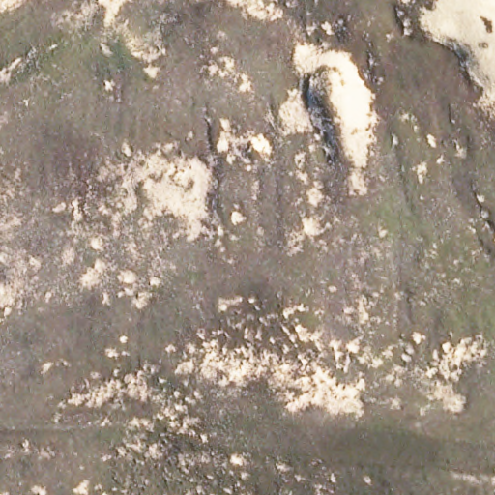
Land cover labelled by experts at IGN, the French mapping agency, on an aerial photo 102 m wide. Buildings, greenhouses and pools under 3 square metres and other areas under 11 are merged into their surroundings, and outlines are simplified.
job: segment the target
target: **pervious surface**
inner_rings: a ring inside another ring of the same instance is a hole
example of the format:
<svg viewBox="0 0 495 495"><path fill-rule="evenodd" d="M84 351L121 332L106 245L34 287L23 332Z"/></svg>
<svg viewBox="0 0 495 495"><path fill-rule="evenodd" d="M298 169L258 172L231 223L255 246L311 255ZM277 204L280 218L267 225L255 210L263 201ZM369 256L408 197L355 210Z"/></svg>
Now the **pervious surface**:
<svg viewBox="0 0 495 495"><path fill-rule="evenodd" d="M12 77L15 68L21 66L21 58L15 58L0 70L0 83Z"/></svg>
<svg viewBox="0 0 495 495"><path fill-rule="evenodd" d="M431 0L435 4L433 10L423 8L420 14L423 31L427 31L433 41L458 48L454 52L454 58L458 62L458 70L462 73L466 89L474 83L480 85L483 89L480 106L487 114L495 116L495 0Z"/></svg>

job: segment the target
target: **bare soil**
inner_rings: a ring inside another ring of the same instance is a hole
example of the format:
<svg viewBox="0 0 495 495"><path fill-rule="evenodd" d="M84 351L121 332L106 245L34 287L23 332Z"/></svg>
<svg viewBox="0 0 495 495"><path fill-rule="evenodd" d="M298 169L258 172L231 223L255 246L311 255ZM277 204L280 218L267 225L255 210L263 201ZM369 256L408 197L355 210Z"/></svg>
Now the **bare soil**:
<svg viewBox="0 0 495 495"><path fill-rule="evenodd" d="M58 402L58 408L70 408L72 404L87 404L93 408L101 406L106 398L112 396L114 410L126 410L122 394L160 402L164 394L159 394L153 387L147 387L147 379L157 369L153 364L143 364L135 375L128 375L120 381L118 369L114 369L112 379L106 385L95 389L93 393L73 394L70 400Z"/></svg>
<svg viewBox="0 0 495 495"><path fill-rule="evenodd" d="M240 79L240 91L247 91L251 83L247 73L236 70L234 60L226 56L224 70L217 66L209 66L209 73L215 73L218 77L230 75L232 79Z"/></svg>
<svg viewBox="0 0 495 495"><path fill-rule="evenodd" d="M157 412L157 420L168 418L168 427L172 429L176 427L178 412L186 410L182 404L174 404Z"/></svg>
<svg viewBox="0 0 495 495"><path fill-rule="evenodd" d="M247 464L242 456L234 454L232 458L226 458L220 456L217 451L211 451L207 454L180 454L182 472L189 472L186 464L195 466L209 462L215 468L222 468L222 474L247 478Z"/></svg>
<svg viewBox="0 0 495 495"><path fill-rule="evenodd" d="M288 410L300 422L315 420L325 425L335 416L344 427L352 429L356 427L358 418L364 412L362 406L365 402L389 408L400 406L398 398L375 398L375 393L377 387L383 387L387 381L391 381L396 387L402 385L404 373L406 377L416 377L414 387L420 394L429 398L427 404L420 406L420 416L427 414L429 410L441 410L443 406L452 412L462 410L464 400L452 389L462 373L460 362L472 362L483 358L487 350L478 348L478 344L472 338L462 338L458 346L443 344L445 356L433 352L433 362L429 369L400 367L394 364L391 358L391 346L379 352L379 356L371 352L373 336L381 323L381 317L367 315L367 311L375 307L375 304L360 298L358 306L344 307L342 315L306 306L290 306L284 309L284 317L290 317L296 311L307 311L317 317L315 333L309 333L302 325L296 327L300 340L313 342L317 346L319 354L315 362L307 362L304 354L298 354L294 362L280 364L277 354L273 352L263 352L261 356L255 356L253 350L240 346L230 350L220 346L217 340L205 342L201 348L188 344L182 356L182 364L176 367L180 381L188 389L186 400L189 404L199 402L199 391L209 381L213 385L220 385L215 394L217 398L238 396L242 385L246 385L247 381L257 381L261 375L269 383L277 400L286 402Z"/></svg>
<svg viewBox="0 0 495 495"><path fill-rule="evenodd" d="M307 218L302 222L302 230L294 230L286 236L288 255L302 251L302 242L306 240L307 234L317 234L319 226L311 218Z"/></svg>
<svg viewBox="0 0 495 495"><path fill-rule="evenodd" d="M95 37L101 44L102 54L110 54L108 43L122 43L128 46L131 56L139 60L155 60L166 52L160 37L160 31L166 23L166 14L160 14L159 10L151 6L166 4L164 0L97 0L93 4L81 6L79 14L68 10L52 12L52 27L58 27L60 31L68 33L72 41L77 41L81 39L79 27L87 27L95 10L104 6L104 27Z"/></svg>
<svg viewBox="0 0 495 495"><path fill-rule="evenodd" d="M472 485L495 485L495 476L472 476L451 472L452 480L464 480Z"/></svg>
<svg viewBox="0 0 495 495"><path fill-rule="evenodd" d="M319 149L325 155L327 164L321 170L321 184L315 182L313 188L309 189L309 203L317 205L321 201L321 195L327 195L331 197L331 205L348 205L352 195L364 195L367 184L373 178L387 180L385 168L379 157L379 145L375 143L373 133L377 124L377 114L369 108L369 102L373 95L365 87L356 66L352 64L346 52L335 52L329 43L317 46L307 44L302 33L298 31L294 33L294 43L298 46L294 62L298 73L304 73L304 87L302 93L298 89L290 91L288 101L280 106L280 118L284 122L282 133L290 135L304 131L309 151Z"/></svg>
<svg viewBox="0 0 495 495"><path fill-rule="evenodd" d="M228 0L230 4L242 8L244 17L251 14L257 19L282 17L282 10L275 6L277 0Z"/></svg>
<svg viewBox="0 0 495 495"><path fill-rule="evenodd" d="M33 306L37 313L44 313L48 311L50 300L54 304L72 307L75 302L83 300L83 294L91 286L101 294L102 304L108 304L116 296L128 296L133 306L143 307L147 304L153 288L164 280L164 271L197 271L195 253L207 253L215 247L218 253L224 251L224 230L217 211L207 211L205 205L211 172L197 159L180 159L174 151L174 141L155 143L155 155L151 157L141 151L130 151L128 143L122 143L124 155L128 155L131 160L128 168L124 168L124 164L112 164L112 160L104 162L104 166L99 170L99 180L122 176L122 184L116 186L116 213L108 211L104 205L99 205L102 215L112 218L112 234L104 234L104 224L79 224L79 201L62 203L58 197L35 199L31 197L29 188L21 189L19 195L14 195L14 188L0 188L0 323L8 321L10 313L21 315L21 307Z"/></svg>
<svg viewBox="0 0 495 495"><path fill-rule="evenodd" d="M230 133L230 122L222 120L220 131L211 124L207 126L207 141L211 153L218 147L218 151L224 153L226 162L240 160L246 170L251 170L251 160L257 155L261 155L263 160L271 159L271 145L263 135L257 137L253 131L247 131L242 137L234 137Z"/></svg>

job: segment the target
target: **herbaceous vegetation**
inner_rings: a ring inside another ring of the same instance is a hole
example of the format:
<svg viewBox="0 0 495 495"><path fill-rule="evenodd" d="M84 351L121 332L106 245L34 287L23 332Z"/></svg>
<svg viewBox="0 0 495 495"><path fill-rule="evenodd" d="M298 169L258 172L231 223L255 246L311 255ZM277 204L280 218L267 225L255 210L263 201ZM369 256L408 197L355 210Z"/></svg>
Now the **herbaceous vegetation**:
<svg viewBox="0 0 495 495"><path fill-rule="evenodd" d="M104 27L104 6L95 10L87 27L79 27L81 39L77 41L72 41L68 33L60 31L58 27L52 27L52 12L68 10L79 14L81 6L93 4L97 0L0 0L0 70L15 58L21 58L21 66L15 68L12 77L0 83L0 188L14 188L14 195L19 195L21 189L29 188L31 197L35 199L58 197L62 203L79 201L79 224L104 224L104 234L112 234L112 218L102 215L99 205L104 205L108 211L116 213L116 186L122 184L122 176L99 180L99 170L104 166L104 162L112 160L112 164L124 164L124 168L128 168L131 160L128 155L124 155L122 143L128 143L130 151L141 151L151 157L155 155L155 143L174 141L174 151L180 159L197 159L211 172L205 205L207 211L217 211L224 230L224 251L218 253L215 247L207 253L195 253L197 271L164 271L164 280L153 288L147 304L143 307L133 306L128 296L116 296L108 304L102 304L101 294L91 286L83 294L83 300L75 302L72 307L54 304L50 300L48 311L44 313L37 313L33 306L21 307L21 315L10 313L8 321L0 323L0 495L495 495L495 485L472 485L464 480L452 480L451 472L472 476L495 476L495 116L487 114L480 106L483 89L480 85L474 83L466 89L462 73L458 70L458 62L454 58L454 52L458 48L433 41L427 31L423 31L420 14L423 8L433 10L435 4L431 0L277 0L275 6L282 10L282 17L257 19L251 14L244 17L242 8L230 4L228 0L164 0L166 4L151 6L159 10L160 14L166 14L166 23L160 31L160 37L166 52L155 60L139 60L131 56L128 46L122 43L108 43L110 54L102 54L101 44L95 37ZM298 46L294 43L294 33L298 31L302 33L307 44L317 46L329 43L335 52L346 52L352 64L356 66L365 87L373 95L369 102L369 108L377 114L377 124L373 133L375 143L379 145L379 157L385 168L387 180L373 178L367 184L364 195L352 195L348 205L331 205L331 197L327 195L321 195L321 201L317 205L309 203L309 189L313 188L315 182L321 184L321 170L327 164L325 155L319 149L309 151L304 131L290 135L282 133L284 122L280 118L280 106L288 101L290 91L298 89L302 93L304 87L304 73L298 73L294 62ZM218 77L215 73L209 73L209 66L217 66L224 70L226 56L234 60L236 70L247 73L251 83L247 91L240 91L240 79L232 79L230 75ZM230 133L234 137L242 137L247 131L253 131L257 137L263 135L271 145L271 159L263 160L261 155L257 155L251 160L251 170L246 170L240 160L226 162L224 153L218 151L218 147L211 153L207 141L207 126L211 124L220 131L222 120L230 122ZM311 218L319 226L317 234L307 234L306 240L302 242L302 251L288 255L286 236L294 230L302 230L302 222L307 218ZM277 354L280 364L294 362L298 354L304 354L307 362L315 362L319 354L317 346L313 342L300 340L296 327L302 325L309 333L315 333L317 317L307 311L296 311L290 317L284 317L284 309L290 306L306 306L342 315L344 307L358 306L360 298L375 304L375 307L367 311L367 315L381 317L381 323L373 336L371 352L379 356L379 352L391 346L391 358L394 364L400 367L429 369L433 362L433 352L445 356L443 344L458 346L462 338L472 338L478 344L478 348L487 350L483 358L472 362L460 362L462 373L452 389L464 400L462 410L452 412L443 406L441 410L429 410L427 414L420 416L420 406L427 404L429 398L420 394L414 387L416 377L406 377L404 373L402 385L396 387L391 381L387 381L383 387L377 387L375 393L375 398L398 398L400 406L389 408L365 402L362 406L364 412L358 418L356 427L352 429L344 427L335 416L325 425L315 420L300 422L288 410L286 402L277 400L269 383L261 375L257 381L247 381L246 385L242 385L238 396L217 398L215 394L220 385L213 385L209 381L199 391L199 402L189 404L186 400L188 389L180 381L176 367L182 364L182 356L188 344L201 348L205 342L217 340L220 346L230 350L240 346L253 350L255 356L261 356L263 352L273 352ZM126 410L114 410L112 396L106 398L101 406L93 408L87 404L72 404L70 408L58 408L58 402L70 400L73 394L93 393L95 389L106 385L112 379L114 369L118 369L120 381L128 375L135 375L143 364L153 364L157 369L147 379L147 387L153 387L159 394L164 394L160 402L122 394ZM178 412L176 427L172 429L168 427L168 418L157 420L157 412L174 404L182 404L186 410ZM215 468L209 462L195 466L186 464L189 472L182 472L180 454L207 454L211 451L217 451L220 456L226 458L232 458L234 454L242 456L247 464L247 478L222 474L222 468Z"/></svg>

